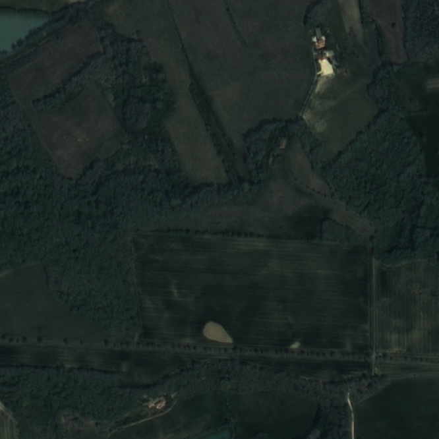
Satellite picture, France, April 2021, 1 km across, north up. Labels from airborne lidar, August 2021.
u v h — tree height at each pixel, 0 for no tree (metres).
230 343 0
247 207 0
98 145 0
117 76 19
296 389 14
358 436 0
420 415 0
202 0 0
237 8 0
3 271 19
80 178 9
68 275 22
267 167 8
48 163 16
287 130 8
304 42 0
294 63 0
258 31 0
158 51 0
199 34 0
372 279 0
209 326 0
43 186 22
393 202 18
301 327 0
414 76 0
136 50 14
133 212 22
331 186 14
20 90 0
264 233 0
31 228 25
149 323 0
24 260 16
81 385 13
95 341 0
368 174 6
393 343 0
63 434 12
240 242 0
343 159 20
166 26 0
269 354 12
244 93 0
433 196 24
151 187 28
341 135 0
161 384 9
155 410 5
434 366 0
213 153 0
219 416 0
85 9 17
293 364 0
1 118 23
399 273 0
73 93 9
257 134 19
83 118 0
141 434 0
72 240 25
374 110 0
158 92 8
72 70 0
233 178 14
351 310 0
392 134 8
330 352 0
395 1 0
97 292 20
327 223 17
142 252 0
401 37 0
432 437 0
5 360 0
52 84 0
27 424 8
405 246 8
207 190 23
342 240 20
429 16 8
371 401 0
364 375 0
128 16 0
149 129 7
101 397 15
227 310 0
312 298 0
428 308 0
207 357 0
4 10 13
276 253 0
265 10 0
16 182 23
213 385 22
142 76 22
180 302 0
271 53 0
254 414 0
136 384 0
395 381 0
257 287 0
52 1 0
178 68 0
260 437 11
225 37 0
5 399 15
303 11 0
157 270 0
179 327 0
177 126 0
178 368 0
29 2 0
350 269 0
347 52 14
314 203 0
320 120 0
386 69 19
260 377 14
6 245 27
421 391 0
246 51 0
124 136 0
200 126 0
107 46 20
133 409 25
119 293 21
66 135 0
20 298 0
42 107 14
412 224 7
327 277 0
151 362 0
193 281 0
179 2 0
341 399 19
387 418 0
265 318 0
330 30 0
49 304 0
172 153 12
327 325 0
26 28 0
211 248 0
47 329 0
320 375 0
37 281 0
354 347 0
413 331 0
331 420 23
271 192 0
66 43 0
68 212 27
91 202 21
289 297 0
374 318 0
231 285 0
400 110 15
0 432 0
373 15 0
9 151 20
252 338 0
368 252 0
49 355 0
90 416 24
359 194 11
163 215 18
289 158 0
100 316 20
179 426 0
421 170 16
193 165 0
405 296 0
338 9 0
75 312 21
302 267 0
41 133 0
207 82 0
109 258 25
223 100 0
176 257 0
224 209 0
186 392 18
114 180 23
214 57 0
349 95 0
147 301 0
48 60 0
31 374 16
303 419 0
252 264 0
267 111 0
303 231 0
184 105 0
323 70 0
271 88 0
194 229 0
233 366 18
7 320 0
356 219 0
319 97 0
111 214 20
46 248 24
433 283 0
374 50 0
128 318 20
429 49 19
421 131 0
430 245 11
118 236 23
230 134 0
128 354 0
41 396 20
